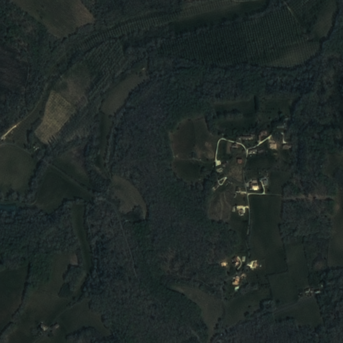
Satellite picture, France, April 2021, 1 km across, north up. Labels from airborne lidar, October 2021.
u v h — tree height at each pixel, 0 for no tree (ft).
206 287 21
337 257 0
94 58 0
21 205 0
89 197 0
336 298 76
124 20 67
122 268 47
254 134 32
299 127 74
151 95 49
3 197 98
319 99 74
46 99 28
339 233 0
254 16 70
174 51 88
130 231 52
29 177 0
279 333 55
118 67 51
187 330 46
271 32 87
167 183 74
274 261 0
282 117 36
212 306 0
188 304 62
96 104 100
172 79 76
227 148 0
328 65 65
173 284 45
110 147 43
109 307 62
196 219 61
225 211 0
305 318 0
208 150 0
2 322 0
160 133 70
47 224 50
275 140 26
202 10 66
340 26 81
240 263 0
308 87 57
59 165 0
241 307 0
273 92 66
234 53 75
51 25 0
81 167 0
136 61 94
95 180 34
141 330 78
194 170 0
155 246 65
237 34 84
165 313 69
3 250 73
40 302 0
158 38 34
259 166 0
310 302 0
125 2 61
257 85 73
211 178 58
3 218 52
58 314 0
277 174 0
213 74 67
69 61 39
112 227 31
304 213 84
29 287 73
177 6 74
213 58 81
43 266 86
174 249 57
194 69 56
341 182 63
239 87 43
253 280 0
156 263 72
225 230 63
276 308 37
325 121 92
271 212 0
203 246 54
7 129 47
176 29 40
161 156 73
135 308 58
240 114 65
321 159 47
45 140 0
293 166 55
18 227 67
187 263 38
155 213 53
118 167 43
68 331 0
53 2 0
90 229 38
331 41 65
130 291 46
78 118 70
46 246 44
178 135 0
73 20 0
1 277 0
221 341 48
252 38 78
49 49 44
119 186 0
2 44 23
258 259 0
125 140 52
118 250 45
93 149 60
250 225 24
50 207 0
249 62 80
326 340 88
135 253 42
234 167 0
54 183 0
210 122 77
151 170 64
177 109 78
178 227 60
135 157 51
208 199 76
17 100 65
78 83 0
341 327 70
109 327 77
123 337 72
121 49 0
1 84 19
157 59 71
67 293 35
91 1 34
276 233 0
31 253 72
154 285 67
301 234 58
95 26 41
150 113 51
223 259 61
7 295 0
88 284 49
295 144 40
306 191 61
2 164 0
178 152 0
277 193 0
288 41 82
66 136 99
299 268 0
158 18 87
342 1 52
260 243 0
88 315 0
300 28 69
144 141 54
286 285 0
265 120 0
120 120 34
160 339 72
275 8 77
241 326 40
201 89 53
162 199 68
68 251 61
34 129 35
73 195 0
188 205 73
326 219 39
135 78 0
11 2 61
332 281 52
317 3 85
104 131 0
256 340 44
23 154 0
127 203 0
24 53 65
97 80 0
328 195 74
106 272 62
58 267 0
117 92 0
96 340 43
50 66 56
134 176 72
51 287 0
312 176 50
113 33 68
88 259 0
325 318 34
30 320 0
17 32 63
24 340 0
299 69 57
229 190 0
